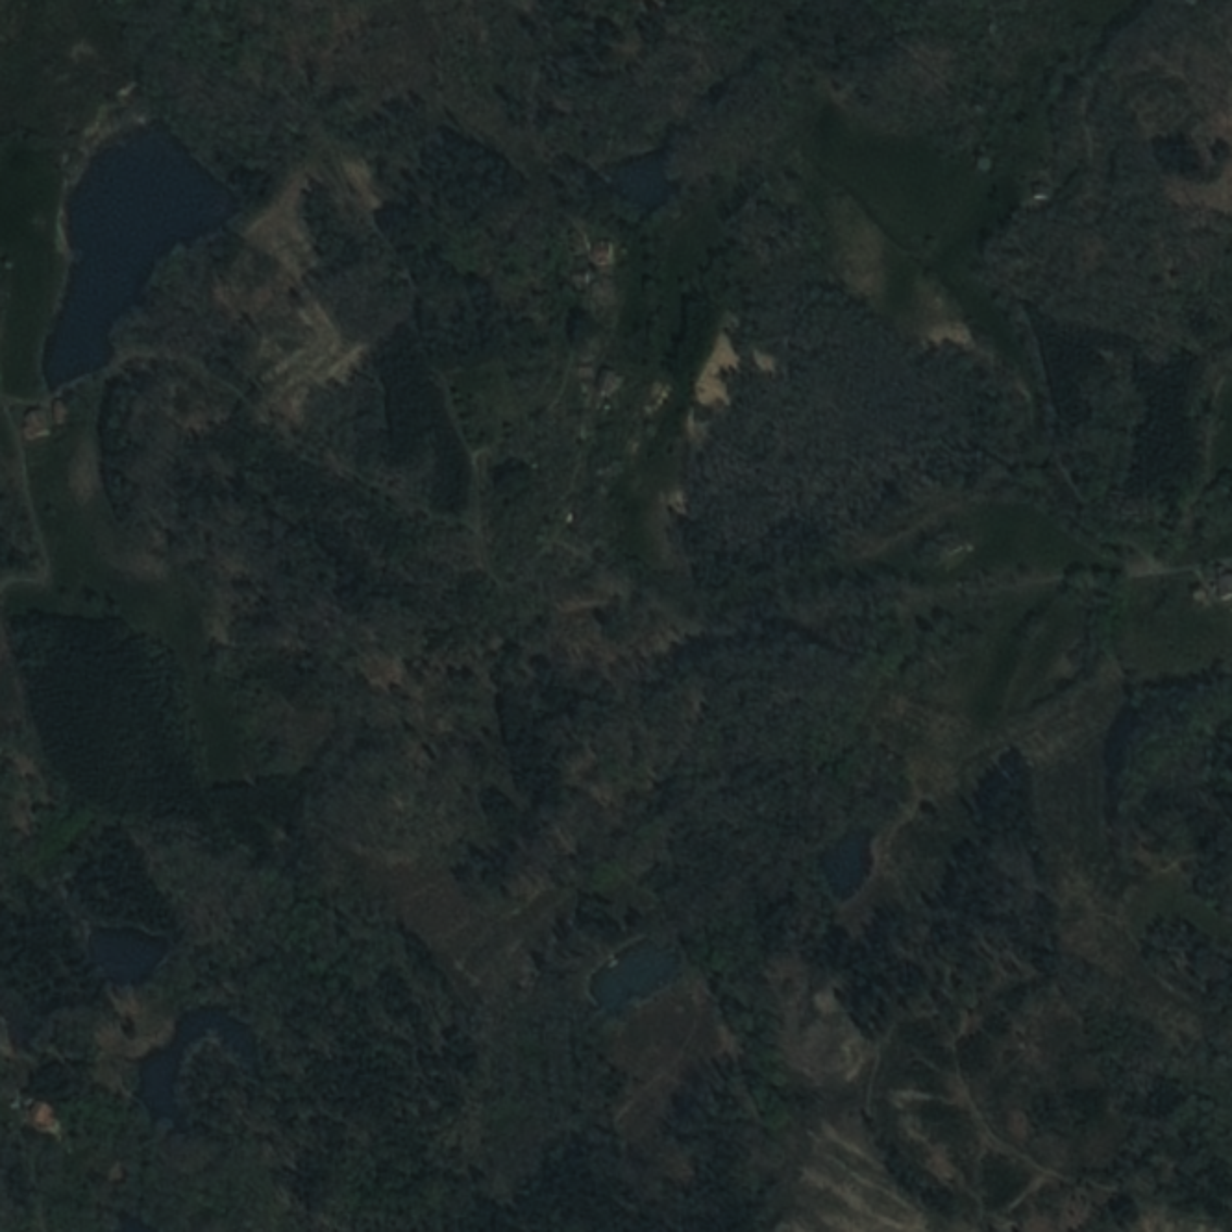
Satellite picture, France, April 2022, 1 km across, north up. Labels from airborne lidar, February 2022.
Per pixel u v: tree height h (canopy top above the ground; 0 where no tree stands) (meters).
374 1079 23
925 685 18
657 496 0
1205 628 0
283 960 22
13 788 17
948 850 0
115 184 0
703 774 20
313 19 12
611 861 27
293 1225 20
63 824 18
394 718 27
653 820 16
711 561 22
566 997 15
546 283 6
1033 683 0
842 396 14
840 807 26
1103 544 20
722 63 31
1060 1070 0
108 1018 24
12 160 0
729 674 18
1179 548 20
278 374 0
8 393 0
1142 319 16
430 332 26
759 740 29
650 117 27
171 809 15
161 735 14
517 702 27
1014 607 0
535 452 15
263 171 30
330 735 0
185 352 28
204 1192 25
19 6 0
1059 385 17
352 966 18
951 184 0
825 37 28
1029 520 0
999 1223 0
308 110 29
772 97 27
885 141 0
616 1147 29
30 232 0
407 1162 18
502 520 8
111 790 14
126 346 18
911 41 19
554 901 0
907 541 0
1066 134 16
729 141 25
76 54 0
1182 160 23
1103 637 23
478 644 14
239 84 24
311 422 14
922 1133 0
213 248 16
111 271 0
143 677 16
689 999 0
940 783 0
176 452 26
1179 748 36
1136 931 0
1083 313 18
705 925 26
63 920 18
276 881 32
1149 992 0
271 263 0
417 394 18
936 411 20
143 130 0
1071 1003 21
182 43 27
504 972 0
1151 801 33
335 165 0
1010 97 12
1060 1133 6
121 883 14
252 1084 13
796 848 30
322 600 29
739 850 13
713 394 0
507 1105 15
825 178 0
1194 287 22
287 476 14
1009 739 0
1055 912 19
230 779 0
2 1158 14
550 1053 15
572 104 27
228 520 24
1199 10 11
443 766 28
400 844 21
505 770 28
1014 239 18
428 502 14
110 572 0
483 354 25
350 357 0
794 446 19
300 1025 17
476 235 16
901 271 0
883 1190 0
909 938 23
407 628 19
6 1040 26
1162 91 0
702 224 0
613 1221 13
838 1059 0
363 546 12
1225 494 16
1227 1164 8
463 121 0
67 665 12
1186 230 18
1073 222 8
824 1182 0
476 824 25
